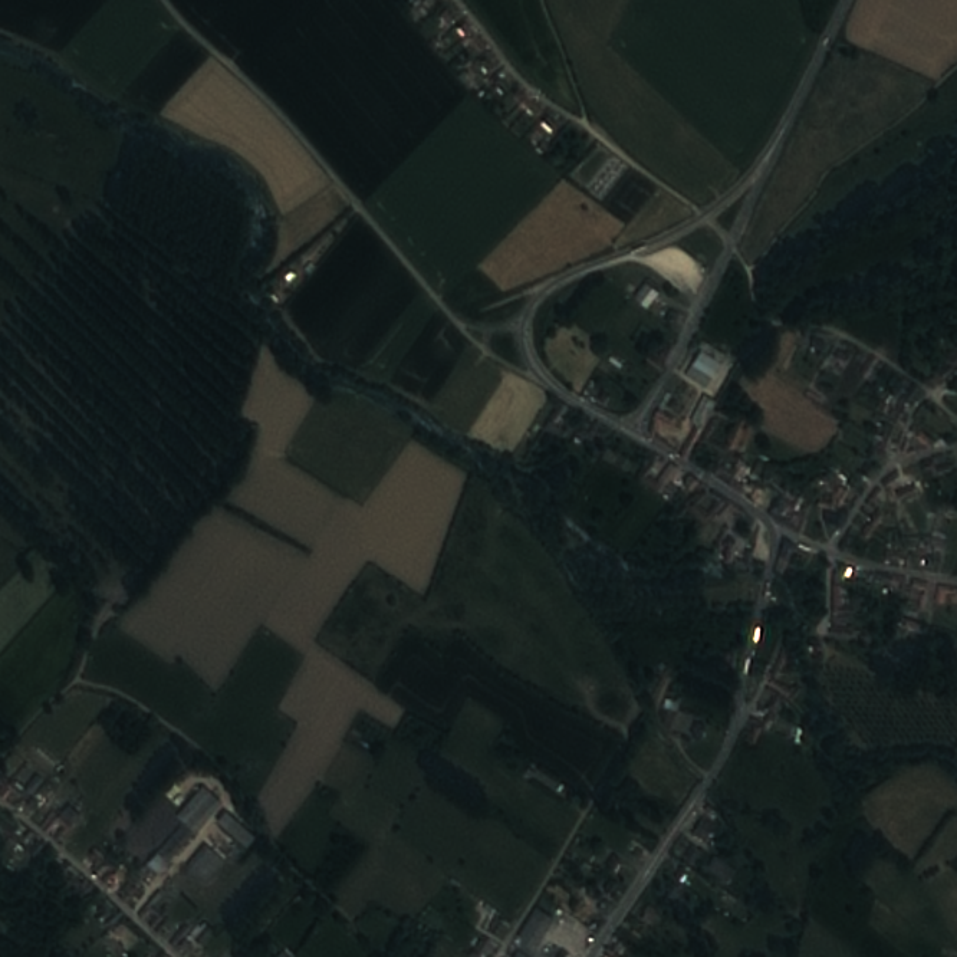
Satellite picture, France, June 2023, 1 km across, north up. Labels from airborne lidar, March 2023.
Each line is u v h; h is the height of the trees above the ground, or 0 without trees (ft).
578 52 0
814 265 70
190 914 0
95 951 0
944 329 57
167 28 0
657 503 0
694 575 81
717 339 0
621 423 0
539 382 0
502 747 27
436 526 0
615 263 0
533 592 0
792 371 0
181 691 0
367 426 0
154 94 0
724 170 0
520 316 0
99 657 0
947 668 91
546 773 20
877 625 34
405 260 0
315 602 0
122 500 103
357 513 0
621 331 0
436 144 0
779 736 0
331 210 0
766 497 0
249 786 0
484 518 0
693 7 0
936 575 0
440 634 0
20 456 86
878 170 0
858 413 0
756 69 0
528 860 0
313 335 0
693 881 0
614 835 0
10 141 0
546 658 0
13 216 0
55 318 84
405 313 0
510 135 0
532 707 0
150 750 0
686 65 0
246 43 0
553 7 0
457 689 0
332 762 0
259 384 0
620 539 0
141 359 88
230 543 0
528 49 0
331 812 0
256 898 105
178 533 87
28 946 62
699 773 0
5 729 51
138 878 0
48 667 0
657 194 0
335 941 0
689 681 85
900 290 69
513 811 0
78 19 0
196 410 85
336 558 0
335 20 0
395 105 0
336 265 0
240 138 0
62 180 0
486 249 0
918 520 0
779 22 0
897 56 0
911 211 87
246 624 0
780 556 0
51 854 29
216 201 103
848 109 0
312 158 0
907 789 0
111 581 0
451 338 0
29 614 0
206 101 0
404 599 0
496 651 0
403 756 0
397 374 0
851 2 0
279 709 0
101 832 0
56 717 0
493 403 0
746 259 0
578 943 0
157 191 106
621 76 0
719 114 0
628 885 0
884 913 0
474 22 0
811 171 0
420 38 0
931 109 0
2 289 0
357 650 0
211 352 70
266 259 51
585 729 0
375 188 0
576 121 0
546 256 0
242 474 29
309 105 0
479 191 0
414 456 0
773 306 56
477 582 0
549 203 0
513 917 0
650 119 0
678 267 0
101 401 84
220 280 101
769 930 0
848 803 97
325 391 78
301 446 0
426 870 0
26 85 0
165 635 0
